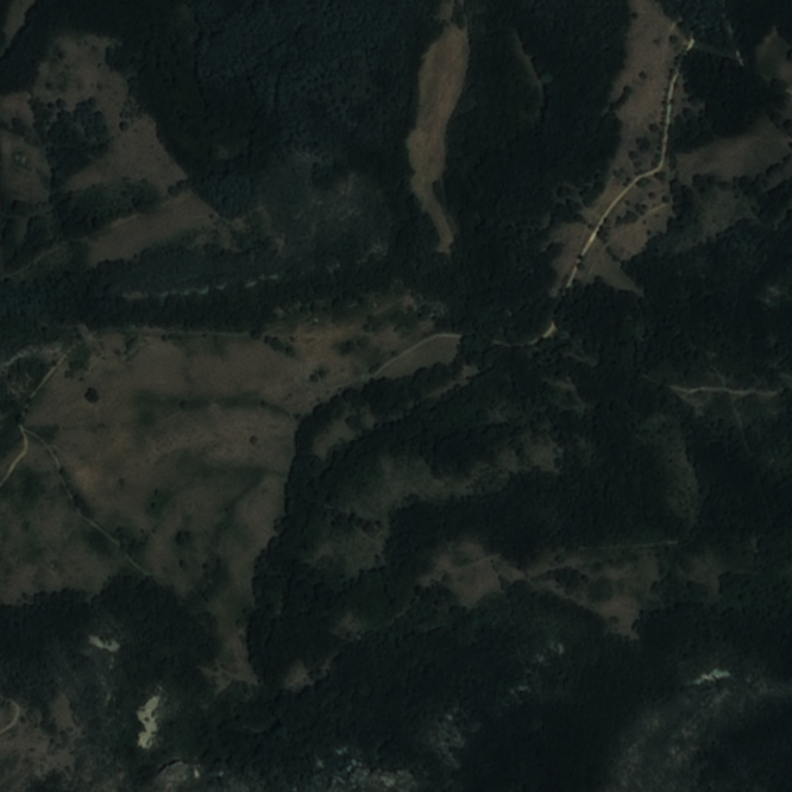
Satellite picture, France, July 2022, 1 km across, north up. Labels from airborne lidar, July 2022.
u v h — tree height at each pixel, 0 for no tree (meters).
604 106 7
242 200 18
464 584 0
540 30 13
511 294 11
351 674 13
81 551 0
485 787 8
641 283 13
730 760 7
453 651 11
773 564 7
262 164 9
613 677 11
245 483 0
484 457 16
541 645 6
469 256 11
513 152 18
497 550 9
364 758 7
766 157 0
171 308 12
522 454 10
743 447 9
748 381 7
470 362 14
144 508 0
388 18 17
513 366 17
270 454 0
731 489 15
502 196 12
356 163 16
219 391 0
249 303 9
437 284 15
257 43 13
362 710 10
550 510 7
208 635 6
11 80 14
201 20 13
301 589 20
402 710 10
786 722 11
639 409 15
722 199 0
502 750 11
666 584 8
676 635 16
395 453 5
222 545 0
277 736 22
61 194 8
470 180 18
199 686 7
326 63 15
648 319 7
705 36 17
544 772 12
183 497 0
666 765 0
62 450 0
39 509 0
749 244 7
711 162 0
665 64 0
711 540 14
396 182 14
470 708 7
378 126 16
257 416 0
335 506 6
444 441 14
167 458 0
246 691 10
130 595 13
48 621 10
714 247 9
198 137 12
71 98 0
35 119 8
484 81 11
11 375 8
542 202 16
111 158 0
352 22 11
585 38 9
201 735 9
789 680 12
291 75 14
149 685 8
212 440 0
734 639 13
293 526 18
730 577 13
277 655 21
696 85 17
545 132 17
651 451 8
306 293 16
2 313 24
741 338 14
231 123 8
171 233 0
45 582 0
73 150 11
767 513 11
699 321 12
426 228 13
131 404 0
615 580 0
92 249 0
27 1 0
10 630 20
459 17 9
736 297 9
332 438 0
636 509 13
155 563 0
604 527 7
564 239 0
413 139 0
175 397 0
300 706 19
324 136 9
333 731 7
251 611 7
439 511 11
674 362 13
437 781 7
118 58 13
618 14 12
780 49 0
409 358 0
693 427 13
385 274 17
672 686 11
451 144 7
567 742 20
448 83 0
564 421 15
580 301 16
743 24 17
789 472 7
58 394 0
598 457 8
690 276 10
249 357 0
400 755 12
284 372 0
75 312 13
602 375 17
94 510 0
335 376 0
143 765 7
